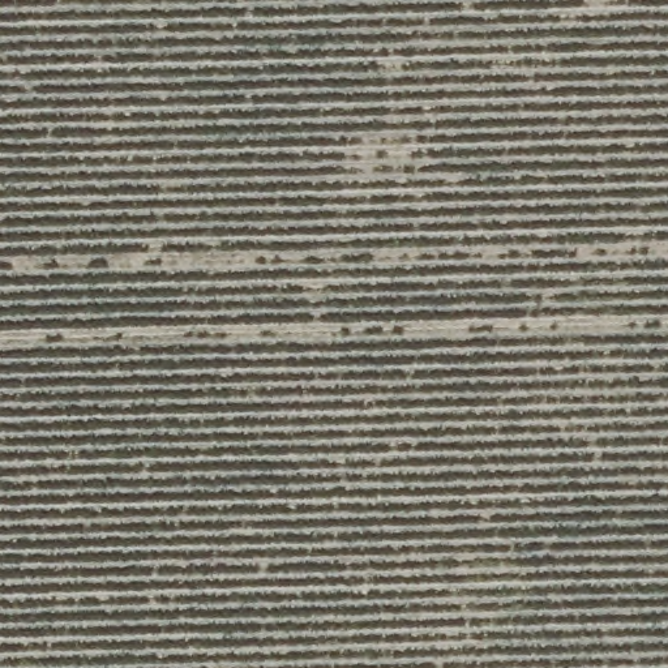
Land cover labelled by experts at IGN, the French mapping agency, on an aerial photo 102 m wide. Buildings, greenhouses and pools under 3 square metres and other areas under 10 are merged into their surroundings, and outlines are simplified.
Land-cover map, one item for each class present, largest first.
<instances>
[{"label":"vineyard","instance_id":"1","mask_svg":"<svg viewBox=\"0 0 668 668\"><path fill-rule=\"evenodd\" d=\"M0 668H668V0H0Z\"/></svg>","mask_w":668,"mask_h":668}]
</instances>
